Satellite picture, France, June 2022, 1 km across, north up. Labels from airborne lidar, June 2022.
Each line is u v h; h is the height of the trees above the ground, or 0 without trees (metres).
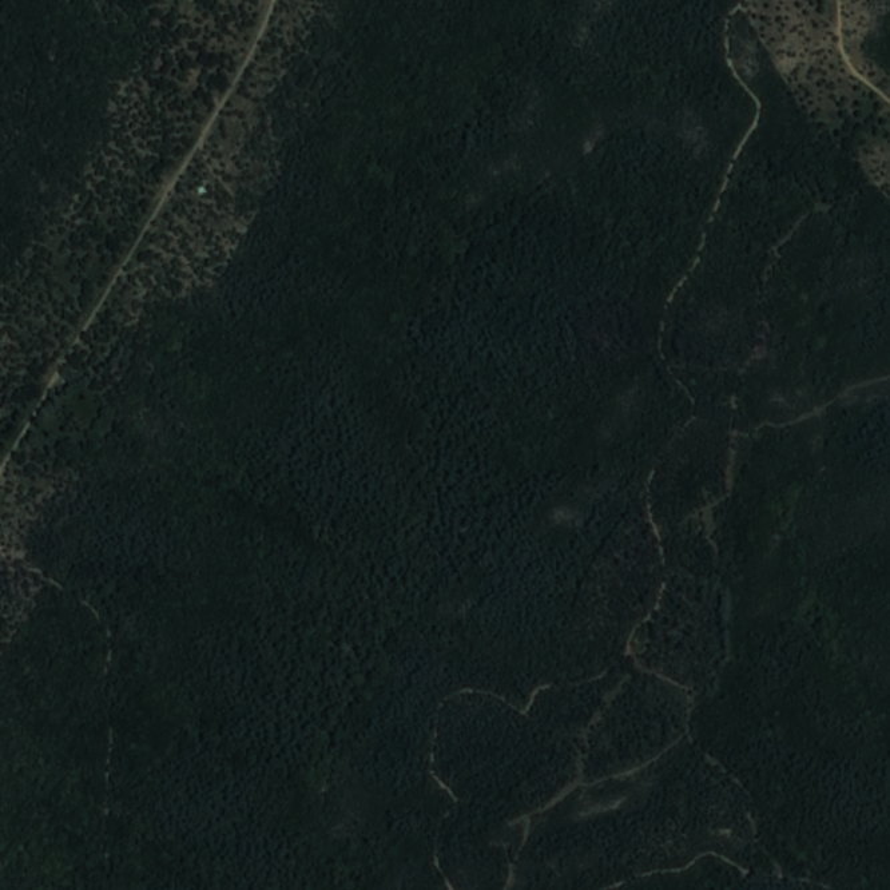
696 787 12
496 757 11
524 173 6
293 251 12
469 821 9
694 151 6
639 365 5
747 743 7
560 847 9
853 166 7
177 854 14
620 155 6
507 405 8
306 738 23
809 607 14
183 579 15
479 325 17
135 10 14
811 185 13
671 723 6
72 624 8
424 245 13
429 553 14
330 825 5
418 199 12
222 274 13
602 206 9
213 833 17
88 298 9
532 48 17
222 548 7
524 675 7
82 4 10
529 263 10
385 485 21
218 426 5
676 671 7
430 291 14
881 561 12
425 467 21
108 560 12
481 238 19
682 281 7
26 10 9
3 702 6
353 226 9
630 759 10
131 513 10
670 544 10
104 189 10
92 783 9
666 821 13
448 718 10
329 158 6
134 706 11
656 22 13
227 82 10
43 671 7
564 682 7
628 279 12
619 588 10
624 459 7
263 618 18
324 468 19
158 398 9
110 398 11
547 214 14
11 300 9
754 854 7
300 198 11
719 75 8
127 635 12
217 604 6
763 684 14
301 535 21
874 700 7
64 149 8
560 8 9
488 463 17
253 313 8
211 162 7
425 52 9
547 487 17
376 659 16
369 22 6
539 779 6
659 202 6
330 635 7
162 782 10
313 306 8
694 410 11
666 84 9
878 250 10
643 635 7
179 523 10
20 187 8
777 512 9
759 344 16
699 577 11
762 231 6
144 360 10
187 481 14
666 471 10
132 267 9
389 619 16
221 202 8
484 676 7
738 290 8
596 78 7
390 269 19
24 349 9
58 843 8
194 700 13
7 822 6
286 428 13
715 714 8
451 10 14
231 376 6
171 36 11
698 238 6
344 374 16
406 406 14
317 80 9
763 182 10
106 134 6
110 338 9
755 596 5
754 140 6
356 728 9
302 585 20
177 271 9
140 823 12
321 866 14
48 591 14
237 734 19
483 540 18
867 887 9
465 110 13
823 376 9
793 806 7
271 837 18
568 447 7
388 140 12
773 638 7
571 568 14
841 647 8
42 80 6
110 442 11
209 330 9
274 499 14
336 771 8
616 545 9
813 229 8
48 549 13
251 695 16
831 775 16
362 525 8
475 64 6
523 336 12
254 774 24
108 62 6
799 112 12
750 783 11
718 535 11
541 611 12
